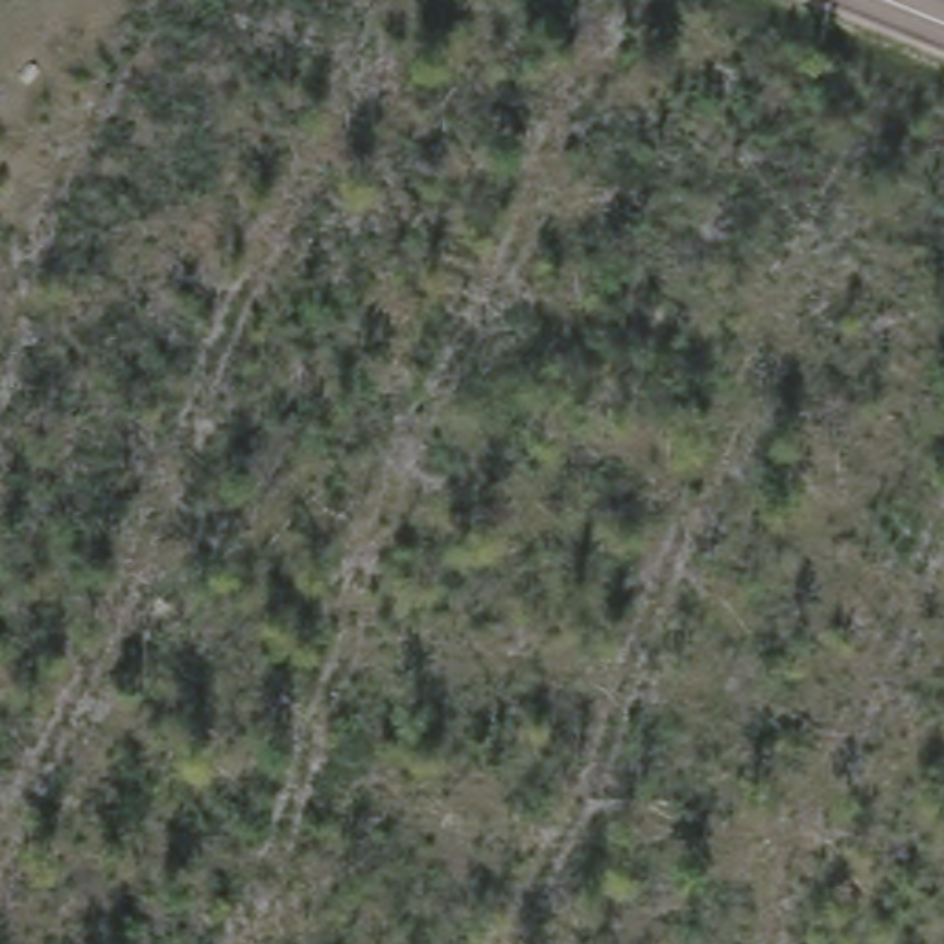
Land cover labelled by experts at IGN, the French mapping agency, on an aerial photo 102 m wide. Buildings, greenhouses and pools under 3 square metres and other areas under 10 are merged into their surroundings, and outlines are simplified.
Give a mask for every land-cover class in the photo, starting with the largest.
<instances>
[{"label":"deciduous trees","instance_id":"1","mask_svg":"<svg viewBox=\"0 0 944 944\"><path fill-rule=\"evenodd\" d=\"M347 0H125L122 18L133 26L129 41L122 48L96 44L107 70L103 92L122 89L125 96L118 103V114H111L107 122L89 118L92 148L85 170L70 181V195L52 199L48 207L55 210L59 225L52 247L41 254L37 280L59 284L63 277H96L118 288L122 299L111 302L100 321L81 325L74 336L52 332L41 343L26 347L18 391L7 406L0 402V664L11 667L15 686H37L41 675L63 656L66 638L74 631H89L92 638L103 634L96 608L114 572V538L129 502L140 494V483L155 479L159 461H177L188 468L203 454L195 446V431L177 428V409L184 395L166 391L170 376H192L199 339L188 328L177 343H170L155 321H148L151 295L133 291L122 273H114L111 254L122 243H129L144 218L184 207L192 195H203L221 177V170L240 173V159L262 144V136L280 140L288 125L317 122L325 100H310L302 85L310 81L313 55L332 59ZM472 7V22H457L446 48L420 41V7L402 15L406 37L395 41L398 92L372 96L376 103H384L376 151L358 159L350 155V181L372 188V207L347 210L336 207L328 195H310V210L295 221L284 254L273 266L269 291L254 302L251 321L240 332L236 354L229 361L236 409L251 413V424L266 431V443L251 457L247 476L221 479L218 498L225 505L243 509V531L251 542L269 538L280 549L269 564V597L254 586H243L232 575H210V583H203L199 568L188 561L170 564L166 583L140 586L136 605L151 608L155 601H170L166 616L136 620L129 631L144 642L140 679L125 690L140 708L129 715L122 741L107 749V774L85 793L81 808L59 804L55 837L48 844H33V833L22 837L18 859L4 870L0 889V944H752V885L723 881L712 870H682V841L675 830L660 841H645L634 848L608 844L605 885L590 896L568 892V859L586 837L590 815L579 804H564L557 793L531 797L520 811L505 804V793L516 789V782L538 760V749L549 738V730L535 726L531 712L524 708V693L479 712L457 704L431 760L420 752L417 741L428 719L413 712H395V719L376 712H358L350 719L328 715V760L317 771L313 797L306 800L302 837L288 859V874H277L269 863L258 859L254 848L266 841L273 797L280 793V774L291 752V708L295 701H310L325 664V653H310L306 642L321 634V605L339 597V583L328 575L343 561V546L336 538H343L350 524L365 513V498L380 479L384 450L395 435V413L417 402V413H428L424 380L443 343H450L457 354L446 369L443 387L454 391L457 409H472L479 417V431L457 435L454 443L443 428H431L420 461L428 472L443 476L450 490L454 527L439 535L431 527H417L413 549L391 538L387 546H380L376 572L358 568L354 583L372 594V601L380 605V620L395 616V597L384 583L398 575L420 590L443 586L439 601L431 605L435 616H446L454 605H468V620L476 631L509 620L549 638L579 631V649L597 653L605 642L620 645L627 631L620 620L634 605V586H627V579L638 575L642 561L660 546L667 509L664 502L642 498L645 479L631 472L620 457H564L561 465H542L535 457V446L546 443V417L520 409V391L542 387L546 395H572L579 406H586L601 380L616 376V424L664 420L675 413L671 391H686V347L697 336L708 339L715 365L741 350L734 325L745 310L749 266L785 258L793 225H830L837 203H859V210L878 218L870 229H856L859 240L903 247V232L918 229L937 232L944 240V100L926 107V114L911 125L915 136L926 140V148L922 155L903 162L900 177L863 173L867 148L859 136L881 129V118L889 111L885 92L863 81V66L852 63L848 81L863 96V111L852 118H833L822 107L819 77L830 74V59L815 48L789 44L782 33L767 26L763 15L778 0H693L697 11L682 15V33L675 48L645 55L642 48H620L616 59H608L597 74L590 100L568 114L564 159L572 177L612 188L616 199L605 210H590L586 218L557 221L564 240V262H583V291L601 299L594 313H645L653 321H671L679 325L671 339L675 350L656 354L645 347H616L608 332H590L586 343L601 354V365L557 358L524 369L516 347H524L538 332V302L509 306L502 332L476 336L465 317H450L443 310L446 280L472 288V273L465 266H446L443 254L476 258L487 240H494L502 214L509 210L520 188V155L487 151L476 136L472 92H490L502 81H524V63L564 55L561 41L549 37L542 22L527 26V0H465ZM33 745V723L18 719L7 704H0V771H15L18 752Z\"/></svg>","mask_w":944,"mask_h":944},{"label":"coniferous trees","instance_id":"2","mask_svg":"<svg viewBox=\"0 0 944 944\"><path fill-rule=\"evenodd\" d=\"M420 7V41L446 48L457 22H472V7L465 0H347L332 59L313 55L310 81L302 85L310 100H325L317 122L288 125L280 140L262 136V144L240 159V173L221 170V177L203 195H192L184 207L144 218L129 243H122L111 254L114 273H122L133 291L151 295L148 321H155L170 343H177L188 328L199 339L192 376H170L166 391L184 395L177 409V428L195 431V446L203 454L188 468L177 461H159L155 479L140 483V494L129 502L114 538V572L96 608L103 634L92 638L89 631H74L66 638L63 656L41 675L37 686H15L11 667L0 664V704H7L18 719L33 723V745L18 752L15 771H0V889L4 870L18 859L22 837L33 833V844H48L55 837L59 804L81 808L85 793L107 774V749L122 741L129 715L140 708L125 690L140 679L144 642L129 631L136 620L166 616L170 601H155L151 608L136 605L140 586L166 583L170 564L188 561L199 568L203 583H210V575H232L243 586H254L269 597V564L280 549L269 538L251 542L243 531V509L225 505L218 498L221 479L247 476L251 457L266 443V431L251 424V413L236 409L229 361L236 354L240 332L251 321L254 302L269 291L273 266L284 254L295 221L310 210V195H328L336 207L347 210L372 207V188L350 181V155L358 159L376 151L384 103H376L372 96L398 92L395 41L406 37L402 15ZM697 11L693 0H527V26L542 22L549 37L561 41L564 55L524 63V81H502L490 92H472L476 136L487 151L520 155V188L509 210L502 214L494 240H487L476 258L443 254L446 266H465L472 273V288L446 280L443 310L450 317H465L476 336L502 332L509 306L538 302V332L524 347H516L524 369L557 358L601 365V354L586 343L590 332H608L616 347H645L656 354L675 350L671 339L679 325L671 321H653L645 313H594L601 299L583 291V262H564V240L557 221L586 218L590 210H605L616 199L612 188L572 177L564 159L568 114L590 100L597 74L608 59H616L620 48H642L645 55L675 48L682 33V15ZM767 26L782 33L789 44L815 48L830 59V74L819 77L822 107L833 118H852L863 111V96L848 81L852 63L863 66V81L885 92L889 111L881 118V129L859 136L867 148L863 173L900 177L903 162L922 155L926 148V140L915 136L911 125L926 114V107L944 100V66L915 63L911 55H903V48H889L874 33L841 30L837 0H778L763 15ZM878 218L859 210V203H837L830 225H793L785 258L749 266L745 310L734 325L741 350L715 365L708 339L697 336L686 347V391H671L675 413L664 420L616 424V376L601 380L586 406H579L572 395H546L542 387L520 391V409L546 417V443L535 446V457L542 465H561L564 457H620L631 472L645 479L642 498L664 502L667 509L660 546L642 561L638 575L627 579V586H634V605L620 620L627 631L620 645L605 642L597 653L579 649V631L549 638L509 620L476 631L468 620V605H454L446 616H435L431 605L439 601L443 586L420 590L398 575L384 583L395 597V616L380 620V605L372 601V594L354 583L358 568L376 572L380 546H387L391 538L413 549L417 527H431L439 535L454 527L450 490L443 476L428 472L420 461L431 428H443L454 443L457 435L479 431V417L472 409H457L454 391L443 387L446 369L457 354L450 343H443L424 380L428 413H417V402L395 413V435L384 450L380 479L365 498V513L350 524L343 538H336L343 546V561L328 575L339 583V597L321 605V634L306 642L310 653H325V664L310 701H295L291 708V752L280 774V793L273 797L266 841L254 848L258 859L269 863L277 874H288V859L302 837L306 800L313 797L317 771L328 760V715L350 719L358 712H376L395 719V712H413L428 719L417 741L420 752L431 760L457 704L479 712L524 693V708L531 712L535 726L549 730V738L538 749V760L516 782V789L505 793V804L520 811L531 797L557 793L564 804H579L590 815L586 837L568 859V892L590 896L605 885L608 844L634 848L645 841H660L675 830L682 841V870H712L723 881L752 885V944H944V240L937 232L918 229L903 232V247L859 240L856 229H870Z\"/></svg>","mask_w":944,"mask_h":944},{"label":"herbaceous vegetation","instance_id":"3","mask_svg":"<svg viewBox=\"0 0 944 944\"><path fill-rule=\"evenodd\" d=\"M125 0H0V402L7 406L18 391L26 347L41 343L52 332L74 336L81 325L100 321L111 302L122 299L118 288L96 277H63L59 284L37 280L41 254L52 247L59 225L55 210L48 207L52 199L70 195V181L85 170L92 148L89 118L107 122L111 114H118V103L125 96L122 89L103 92L107 70L96 44L122 48L129 41L133 26L122 18Z\"/></svg>","mask_w":944,"mask_h":944},{"label":"impervious surface","instance_id":"4","mask_svg":"<svg viewBox=\"0 0 944 944\"><path fill-rule=\"evenodd\" d=\"M841 30L874 33L889 48H903V55H911L915 63L944 66V0H837Z\"/></svg>","mask_w":944,"mask_h":944}]
</instances>
